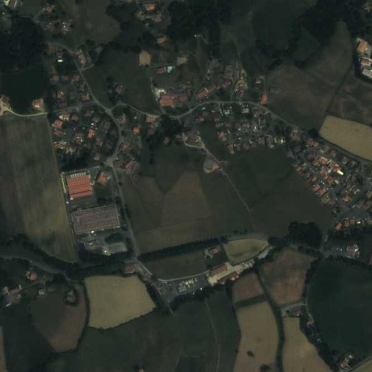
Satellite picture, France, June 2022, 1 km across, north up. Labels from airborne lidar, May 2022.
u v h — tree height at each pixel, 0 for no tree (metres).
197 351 0
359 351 0
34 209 0
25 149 0
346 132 0
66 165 9
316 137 19
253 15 0
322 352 12
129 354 0
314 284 0
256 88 0
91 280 0
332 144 0
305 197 0
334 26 18
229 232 0
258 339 0
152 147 15
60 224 0
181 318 0
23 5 0
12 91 0
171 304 13
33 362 0
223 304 0
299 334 0
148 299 0
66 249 0
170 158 0
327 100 0
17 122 0
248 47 0
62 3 0
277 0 0
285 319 0
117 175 0
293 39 10
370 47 0
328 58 0
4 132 0
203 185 0
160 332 0
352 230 7
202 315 0
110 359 0
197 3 0
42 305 0
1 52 21
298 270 0
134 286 0
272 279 0
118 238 20
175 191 0
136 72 0
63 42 0
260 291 0
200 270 0
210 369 0
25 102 0
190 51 0
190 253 19
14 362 0
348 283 0
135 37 0
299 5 0
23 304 0
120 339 0
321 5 25
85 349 0
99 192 0
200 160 0
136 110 0
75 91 0
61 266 32
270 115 0
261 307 0
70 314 0
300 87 0
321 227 0
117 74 0
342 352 0
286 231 0
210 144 0
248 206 0
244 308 0
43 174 0
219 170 0
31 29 26
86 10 0
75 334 0
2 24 0
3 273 10
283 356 0
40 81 0
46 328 0
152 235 0
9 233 0
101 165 15
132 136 0
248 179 0
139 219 0
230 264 0
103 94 0
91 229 0
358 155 0
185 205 0
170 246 0
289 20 0
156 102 0
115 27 0
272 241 24
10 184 0
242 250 0
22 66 34
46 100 6
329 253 0
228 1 22
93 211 0
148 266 0
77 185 0
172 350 0
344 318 0
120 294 0
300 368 0
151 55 0
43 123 0
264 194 0
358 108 0
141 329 0
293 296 0
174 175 0
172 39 12
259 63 0
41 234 0
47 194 0
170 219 0
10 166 0
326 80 0
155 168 0
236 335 0
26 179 0
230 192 0
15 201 0
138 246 0
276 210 0
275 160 0
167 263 0
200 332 0
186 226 0
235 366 0
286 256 0
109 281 0
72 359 0
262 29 0
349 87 0
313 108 0
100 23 0
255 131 0
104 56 11
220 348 0
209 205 0
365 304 0
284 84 0
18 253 0
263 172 0
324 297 0
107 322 0
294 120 0
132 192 0
